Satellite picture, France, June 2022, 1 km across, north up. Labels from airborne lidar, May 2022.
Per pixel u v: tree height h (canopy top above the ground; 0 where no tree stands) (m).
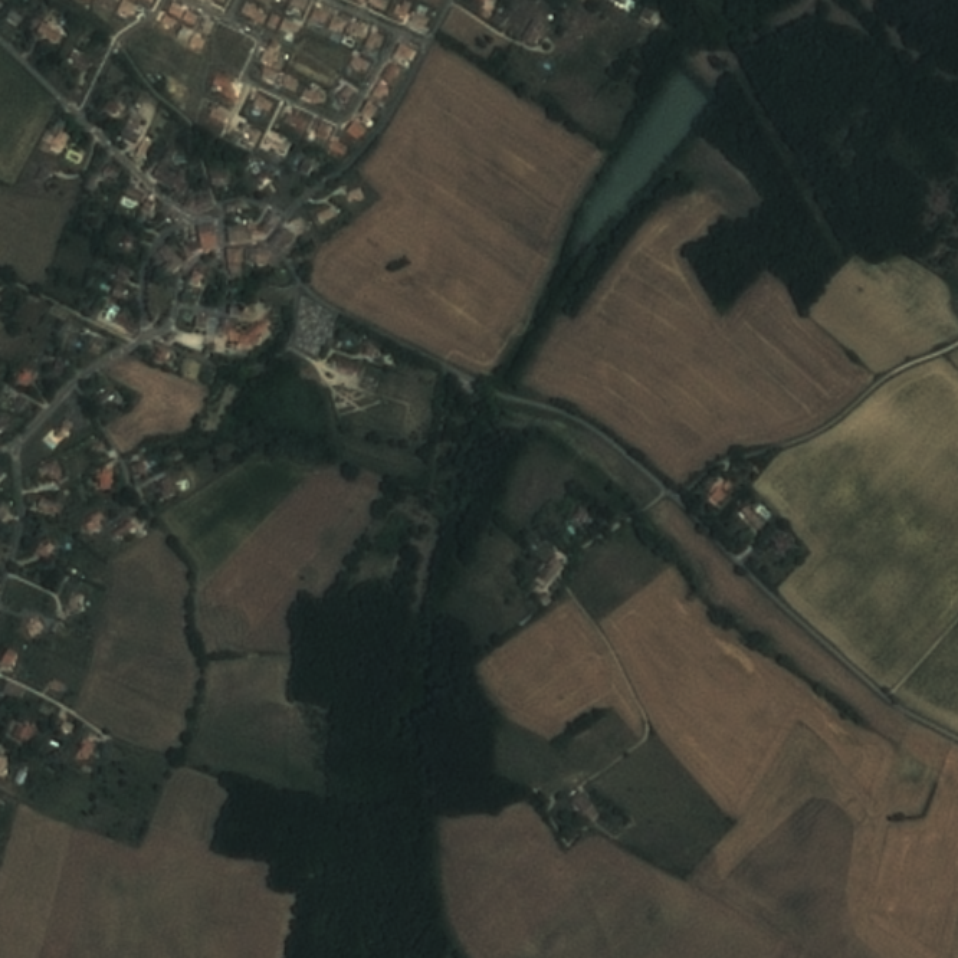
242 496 0
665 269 0
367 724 17
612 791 0
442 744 24
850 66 16
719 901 0
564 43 0
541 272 0
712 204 0
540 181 0
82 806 0
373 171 0
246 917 0
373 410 0
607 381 0
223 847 15
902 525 0
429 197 0
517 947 0
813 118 14
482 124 0
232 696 0
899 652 0
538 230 0
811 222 13
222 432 7
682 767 0
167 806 0
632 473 0
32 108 0
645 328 0
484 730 21
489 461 24
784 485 0
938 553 0
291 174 7
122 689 0
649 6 15
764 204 10
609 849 0
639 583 0
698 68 0
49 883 0
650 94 15
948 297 0
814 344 0
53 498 8
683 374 0
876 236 17
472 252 0
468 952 0
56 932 0
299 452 25
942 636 0
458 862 0
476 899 0
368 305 0
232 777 18
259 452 21
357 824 15
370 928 14
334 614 15
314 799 18
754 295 0
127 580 0
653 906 0
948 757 0
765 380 0
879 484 0
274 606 0
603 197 0
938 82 9
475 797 15
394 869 19
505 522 13
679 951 0
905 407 0
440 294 0
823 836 0
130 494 16
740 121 19
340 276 0
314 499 0
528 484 0
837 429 0
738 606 0
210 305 12
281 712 0
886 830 0
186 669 0
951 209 6
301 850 17
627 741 0
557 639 0
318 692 15
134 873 0
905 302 0
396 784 6
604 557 0
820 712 0
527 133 0
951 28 11
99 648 0
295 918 10
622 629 0
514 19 0
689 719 0
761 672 0
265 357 9
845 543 0
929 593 0
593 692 0
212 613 0
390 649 24
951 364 0
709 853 0
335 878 14
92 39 7
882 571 0
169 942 0
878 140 11
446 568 15
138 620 0
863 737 0
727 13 19
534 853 0
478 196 0
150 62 0
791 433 0
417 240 0
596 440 0
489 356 0
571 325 0
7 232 0
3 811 0
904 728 0
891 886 0
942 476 0
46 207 0
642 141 0
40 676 0
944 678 0
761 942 0
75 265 0
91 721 0
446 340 0
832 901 0
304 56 0
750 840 0
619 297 0
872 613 0
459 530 25
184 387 0
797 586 0
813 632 0
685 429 0
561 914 0
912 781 0
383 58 0
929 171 8
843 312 0
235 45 0
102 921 0
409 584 7
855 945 0
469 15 0
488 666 0
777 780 0
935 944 0
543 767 0
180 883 0
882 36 15
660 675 0
